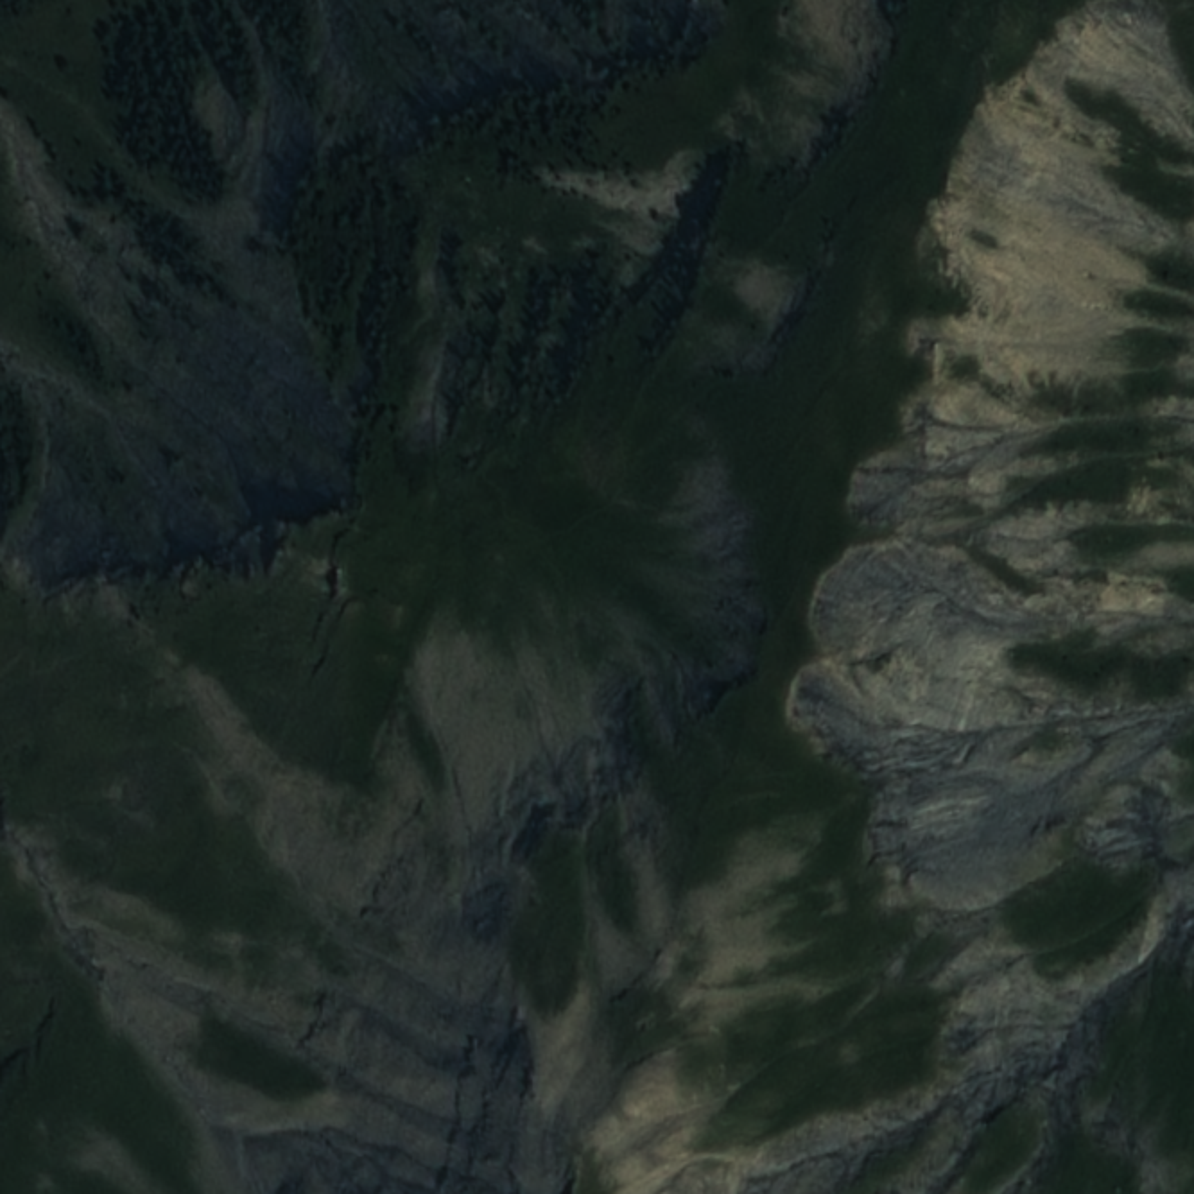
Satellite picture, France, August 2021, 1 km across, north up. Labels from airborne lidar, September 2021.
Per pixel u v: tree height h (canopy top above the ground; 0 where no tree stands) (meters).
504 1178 0
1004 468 0
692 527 0
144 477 0
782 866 0
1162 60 0
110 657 0
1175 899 0
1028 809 0
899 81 0
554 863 0
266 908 0
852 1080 0
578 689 0
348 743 0
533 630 0
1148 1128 0
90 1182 0
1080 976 0
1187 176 0
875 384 0
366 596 0
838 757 0
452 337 0
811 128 0
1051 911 0
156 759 0
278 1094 0
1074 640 0
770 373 0
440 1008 0
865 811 0
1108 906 0
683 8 0
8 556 0
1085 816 0
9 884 0
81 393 0
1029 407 0
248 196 0
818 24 0
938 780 0
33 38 0
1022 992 0
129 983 0
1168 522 0
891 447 0
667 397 0
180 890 0
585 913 0
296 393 0
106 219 0
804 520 0
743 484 0
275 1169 0
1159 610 0
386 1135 0
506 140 8
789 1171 0
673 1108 0
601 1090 0
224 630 0
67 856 0
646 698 0
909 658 0
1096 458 0
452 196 0
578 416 0
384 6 0
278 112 0
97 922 0
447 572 0
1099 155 0
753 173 0
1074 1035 0
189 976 0
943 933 0
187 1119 0
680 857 0
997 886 0
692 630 0
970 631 0
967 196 0
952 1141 0
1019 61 0
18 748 0
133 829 0
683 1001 0
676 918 0
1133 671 0
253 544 0
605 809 0
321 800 0
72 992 0
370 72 0
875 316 0
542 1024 0
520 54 0
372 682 0
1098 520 0
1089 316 0
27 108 0
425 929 0
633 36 0
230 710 0
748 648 0
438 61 8
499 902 0
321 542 0
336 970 0
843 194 0
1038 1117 0
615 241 0
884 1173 0
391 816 0
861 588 0
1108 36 0
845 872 0
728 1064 0
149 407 0
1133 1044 0
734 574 0
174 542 0
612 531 0
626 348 0
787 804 0
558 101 10
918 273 0
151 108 16
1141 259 0
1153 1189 0
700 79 0
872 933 0
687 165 0
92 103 0
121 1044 0
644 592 0
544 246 0
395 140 0
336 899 0
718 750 0
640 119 0
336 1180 0
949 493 0
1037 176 0
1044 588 0
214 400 0
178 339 0
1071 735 0
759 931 0
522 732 0
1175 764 0
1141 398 0
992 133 0
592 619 0
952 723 0
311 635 0
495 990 0
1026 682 0
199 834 0
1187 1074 0
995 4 0
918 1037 0
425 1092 0
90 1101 0
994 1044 0
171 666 0
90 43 0
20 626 0
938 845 0
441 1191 0
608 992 0
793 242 0
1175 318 0
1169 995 0
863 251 0
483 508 0
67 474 0
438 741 0
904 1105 0
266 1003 0
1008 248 0
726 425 0
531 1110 0
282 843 0
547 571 0
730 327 0
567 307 0
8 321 0
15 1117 0
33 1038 0
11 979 0
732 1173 0
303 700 0
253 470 0
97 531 0
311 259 9
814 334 0
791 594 0
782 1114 0
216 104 0
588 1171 0
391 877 0
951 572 0
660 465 0
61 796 0
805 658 0
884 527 0
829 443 0
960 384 0
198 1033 0
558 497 0
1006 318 0
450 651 0
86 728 0
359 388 0
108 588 0
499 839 0
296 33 7
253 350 0
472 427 0
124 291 0
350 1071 0
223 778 0
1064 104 0
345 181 13
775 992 0
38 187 0
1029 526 0
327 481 0
